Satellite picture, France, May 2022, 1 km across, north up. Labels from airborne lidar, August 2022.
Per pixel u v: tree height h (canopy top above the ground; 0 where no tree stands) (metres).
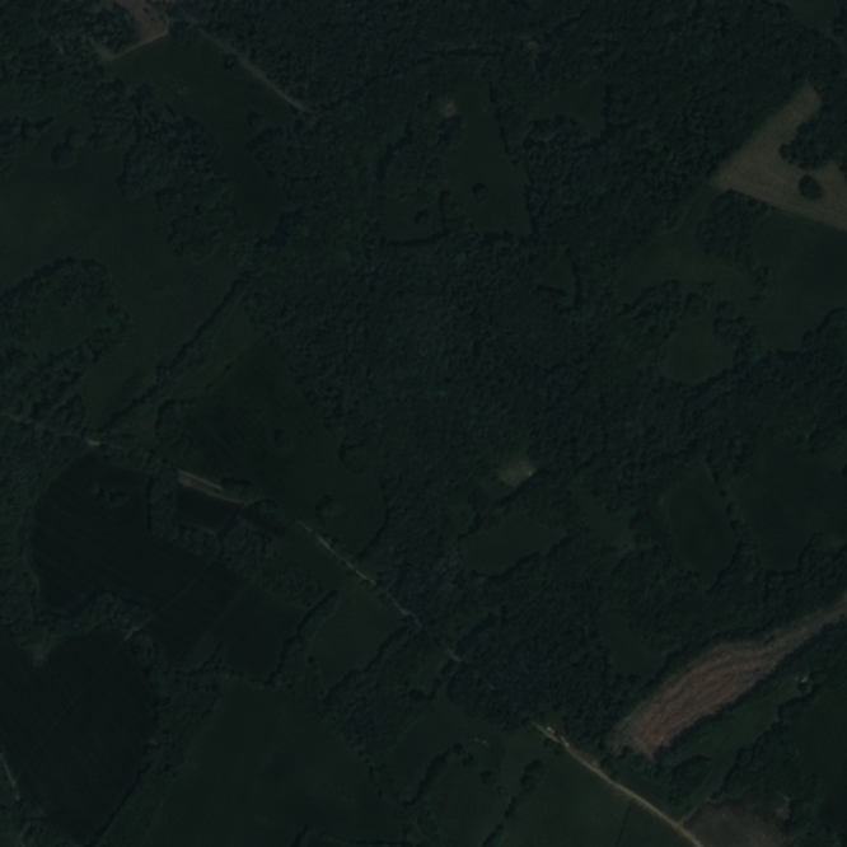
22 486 18
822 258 0
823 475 0
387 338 22
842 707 0
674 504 0
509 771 0
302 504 0
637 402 22
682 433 13
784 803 0
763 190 0
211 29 21
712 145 20
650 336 22
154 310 0
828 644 17
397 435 14
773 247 0
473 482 19
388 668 16
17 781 0
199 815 0
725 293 0
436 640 12
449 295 19
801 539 0
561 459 18
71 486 0
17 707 0
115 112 22
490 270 19
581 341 10
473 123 0
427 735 0
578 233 20
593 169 23
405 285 15
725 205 9
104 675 0
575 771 0
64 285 11
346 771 0
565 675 19
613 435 19
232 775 0
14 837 0
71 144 12
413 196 13
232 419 0
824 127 19
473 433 23
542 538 0
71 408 16
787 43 21
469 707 14
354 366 18
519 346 12
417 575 16
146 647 10
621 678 12
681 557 7
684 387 10
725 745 0
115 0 0
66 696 0
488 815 0
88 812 0
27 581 14
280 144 22
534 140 15
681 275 0
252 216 0
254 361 0
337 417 18
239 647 0
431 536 22
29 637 11
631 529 7
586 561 18
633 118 21
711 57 18
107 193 0
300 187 21
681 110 18
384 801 8
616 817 0
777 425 16
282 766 0
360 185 19
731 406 20
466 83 21
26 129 22
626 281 0
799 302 0
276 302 16
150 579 0
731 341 10
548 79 22
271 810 0
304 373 16
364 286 18
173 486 12
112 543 0
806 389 18
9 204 0
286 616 0
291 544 0
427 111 22
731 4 20
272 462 0
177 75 0
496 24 21
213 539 12
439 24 21
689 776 16
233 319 0
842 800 0
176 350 0
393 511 14
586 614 13
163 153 18
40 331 16
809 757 0
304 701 12
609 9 23
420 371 23
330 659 0
